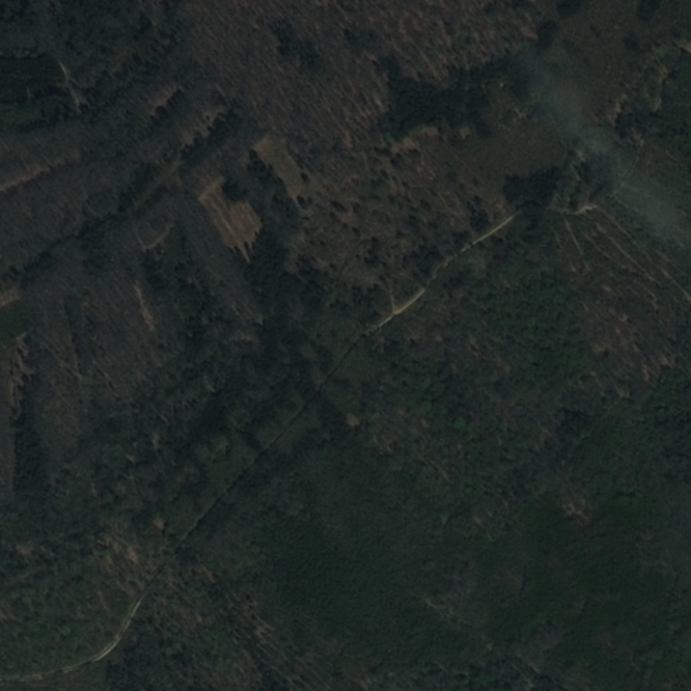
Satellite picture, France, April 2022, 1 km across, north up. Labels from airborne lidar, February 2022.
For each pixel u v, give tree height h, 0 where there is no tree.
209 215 28
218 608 9
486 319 30
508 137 15
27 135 28
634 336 27
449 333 33
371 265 26
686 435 23
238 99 29
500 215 17
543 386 30
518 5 12
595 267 16
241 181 32
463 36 19
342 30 21
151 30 28
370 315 15
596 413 31
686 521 15
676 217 16
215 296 23
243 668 27
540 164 15
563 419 31
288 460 24
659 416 25
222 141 30
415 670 25
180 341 29
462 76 31
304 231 19
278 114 27
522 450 25
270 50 25
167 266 17
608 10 21
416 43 29
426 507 11
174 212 31
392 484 12
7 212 31
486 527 16
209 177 31
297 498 27
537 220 21
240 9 29
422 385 31
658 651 23
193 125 33
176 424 21
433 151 14
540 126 17
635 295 15
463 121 18
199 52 29
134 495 22
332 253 10
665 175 18
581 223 15
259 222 26
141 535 24
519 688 27
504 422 27
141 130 28
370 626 10
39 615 28
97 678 9
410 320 10
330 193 9
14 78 7
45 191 29
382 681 29
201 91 33
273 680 9
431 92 30
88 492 27
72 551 14
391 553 12
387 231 38
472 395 31
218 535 30
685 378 22
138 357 33
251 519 22
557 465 30
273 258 26
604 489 28
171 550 12
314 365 19
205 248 31
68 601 27
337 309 11
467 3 28
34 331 29
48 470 30
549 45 22
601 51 19
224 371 29
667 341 26
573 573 24
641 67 15
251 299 31
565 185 29
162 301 31
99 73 30
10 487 31
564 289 28
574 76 20
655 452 12
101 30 35
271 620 8
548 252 24
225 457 15
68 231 23
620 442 15
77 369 36
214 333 25
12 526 27
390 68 29
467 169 14
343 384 22
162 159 32
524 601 11
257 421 26
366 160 26
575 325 24
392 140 26
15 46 30
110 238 31
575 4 26
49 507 26
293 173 0
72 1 34
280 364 14
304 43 25
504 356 29
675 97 24
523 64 15
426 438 30
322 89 25
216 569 25
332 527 11
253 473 20
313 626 11
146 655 25
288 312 32
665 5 15
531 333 32
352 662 7
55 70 17
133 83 27
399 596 12
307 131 27
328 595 10
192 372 14
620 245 16
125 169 32
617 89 15
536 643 23
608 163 29
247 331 27
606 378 26
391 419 28
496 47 25
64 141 33
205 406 27
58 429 34
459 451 27
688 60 23
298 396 16
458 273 12
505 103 14
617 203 16
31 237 33
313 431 19
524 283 26
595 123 17
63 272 32
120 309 34
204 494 16
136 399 26
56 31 34
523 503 18
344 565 15
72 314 27
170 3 27
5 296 0
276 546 14
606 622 13
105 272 28
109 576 33
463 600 27
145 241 31
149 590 28
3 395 33
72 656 30
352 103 25
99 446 23
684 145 18
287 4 26
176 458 27
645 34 15
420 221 12
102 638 29
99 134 33
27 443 27
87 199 31
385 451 24
